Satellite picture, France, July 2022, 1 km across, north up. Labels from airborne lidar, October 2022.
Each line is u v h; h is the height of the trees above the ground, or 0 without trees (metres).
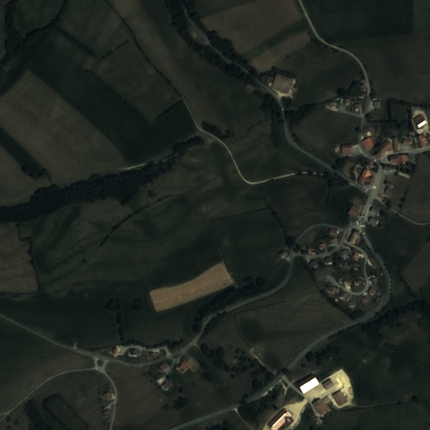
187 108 0
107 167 0
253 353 0
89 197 17
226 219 0
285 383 0
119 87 0
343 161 16
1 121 0
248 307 0
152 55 0
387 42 0
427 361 0
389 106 11
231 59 21
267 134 0
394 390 0
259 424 0
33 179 19
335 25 0
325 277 0
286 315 0
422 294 0
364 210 0
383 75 0
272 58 0
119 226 7
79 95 0
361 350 0
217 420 0
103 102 0
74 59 0
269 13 0
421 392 0
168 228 0
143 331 0
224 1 0
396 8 0
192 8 22
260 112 0
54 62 0
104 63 0
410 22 0
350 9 0
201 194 0
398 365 0
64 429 6
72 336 0
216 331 0
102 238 0
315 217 0
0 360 0
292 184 0
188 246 0
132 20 0
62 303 0
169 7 13
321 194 0
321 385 0
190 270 0
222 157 0
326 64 0
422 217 0
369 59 0
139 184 18
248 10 0
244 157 0
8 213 13
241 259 0
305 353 0
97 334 0
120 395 0
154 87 0
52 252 0
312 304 0
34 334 0
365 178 0
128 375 0
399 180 0
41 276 0
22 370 0
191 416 0
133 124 0
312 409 0
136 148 0
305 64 0
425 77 0
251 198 0
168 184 0
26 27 0
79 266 0
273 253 0
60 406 0
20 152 0
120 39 0
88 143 0
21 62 0
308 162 0
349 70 0
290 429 0
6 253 0
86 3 0
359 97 0
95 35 0
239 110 0
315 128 0
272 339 0
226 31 0
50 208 10
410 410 0
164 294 0
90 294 0
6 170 0
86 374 0
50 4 0
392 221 0
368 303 0
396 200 0
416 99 0
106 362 0
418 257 0
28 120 0
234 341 0
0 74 13
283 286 0
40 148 0
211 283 0
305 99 0
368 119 13
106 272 0
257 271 0
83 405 0
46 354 0
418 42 0
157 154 0
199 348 0
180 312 0
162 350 0
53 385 0
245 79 20
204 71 0
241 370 6
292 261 0
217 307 17
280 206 0
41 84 0
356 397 0
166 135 0
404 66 0
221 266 0
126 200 10
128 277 0
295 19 0
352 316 12
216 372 0
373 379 0
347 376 0
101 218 0
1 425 0
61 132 0
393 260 0
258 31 0
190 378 0
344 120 0
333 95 0
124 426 0
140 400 0
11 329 0
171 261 0
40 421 9
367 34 0
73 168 0
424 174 0
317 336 0
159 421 0
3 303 0
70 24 0
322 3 0
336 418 0
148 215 0
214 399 0
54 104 0
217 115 0
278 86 0
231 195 0
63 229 0
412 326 0
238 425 0
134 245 0
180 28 10
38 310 0
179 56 0
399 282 0
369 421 0
